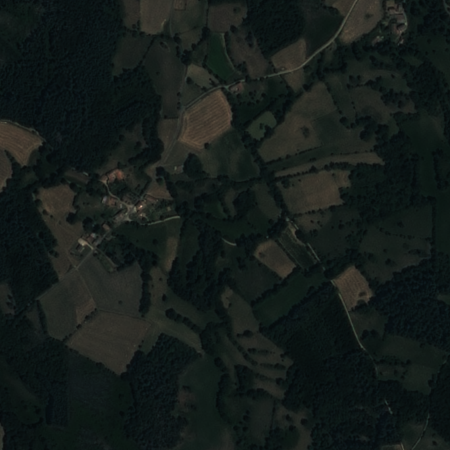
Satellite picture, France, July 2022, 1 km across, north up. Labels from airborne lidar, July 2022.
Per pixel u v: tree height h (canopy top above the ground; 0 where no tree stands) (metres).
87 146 16
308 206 0
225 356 0
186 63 20
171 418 11
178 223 0
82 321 0
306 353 11
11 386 0
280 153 0
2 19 0
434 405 14
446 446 0
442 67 0
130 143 0
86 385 0
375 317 0
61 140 23
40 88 11
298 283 0
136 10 0
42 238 22
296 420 0
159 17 0
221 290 22
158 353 10
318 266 17
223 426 0
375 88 16
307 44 0
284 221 17
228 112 0
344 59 14
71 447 0
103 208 0
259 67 0
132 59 0
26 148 0
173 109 0
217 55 0
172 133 0
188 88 0
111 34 26
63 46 23
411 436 0
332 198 0
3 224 28
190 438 0
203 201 16
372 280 10
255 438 0
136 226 11
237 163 0
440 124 0
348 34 0
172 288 7
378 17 0
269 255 0
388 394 21
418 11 26
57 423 26
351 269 0
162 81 0
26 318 11
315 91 0
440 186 18
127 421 7
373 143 0
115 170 0
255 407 0
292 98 19
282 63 0
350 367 14
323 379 9
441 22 17
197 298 26
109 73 30
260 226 0
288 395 20
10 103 36
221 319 14
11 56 0
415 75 12
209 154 0
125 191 8
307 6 0
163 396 17
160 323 0
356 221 7
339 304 8
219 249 17
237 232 0
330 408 14
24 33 0
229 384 22
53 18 21
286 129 0
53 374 12
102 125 21
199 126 0
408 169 23
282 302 0
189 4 0
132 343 0
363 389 28
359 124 17
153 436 13
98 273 0
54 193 0
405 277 9
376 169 18
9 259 8
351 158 0
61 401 29
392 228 0
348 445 32
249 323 0
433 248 6
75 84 33
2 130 0
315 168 18
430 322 36
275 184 17
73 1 23
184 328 0
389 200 22
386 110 0
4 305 0
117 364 0
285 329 15
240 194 7
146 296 16
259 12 16
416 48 7
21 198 18
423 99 18
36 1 25
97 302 0
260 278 0
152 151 16
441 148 0
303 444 0
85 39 29
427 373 0
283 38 6
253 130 0
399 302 40
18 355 12
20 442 30
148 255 28
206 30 18
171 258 0
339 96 0
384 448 0
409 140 24
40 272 11
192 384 0
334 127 0
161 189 0
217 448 0
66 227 0
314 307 9
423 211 0
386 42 10
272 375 0
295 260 9
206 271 11
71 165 26
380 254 0
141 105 19
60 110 35
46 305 0
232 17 0
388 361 7
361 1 0
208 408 0
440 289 33
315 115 0
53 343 12
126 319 0
